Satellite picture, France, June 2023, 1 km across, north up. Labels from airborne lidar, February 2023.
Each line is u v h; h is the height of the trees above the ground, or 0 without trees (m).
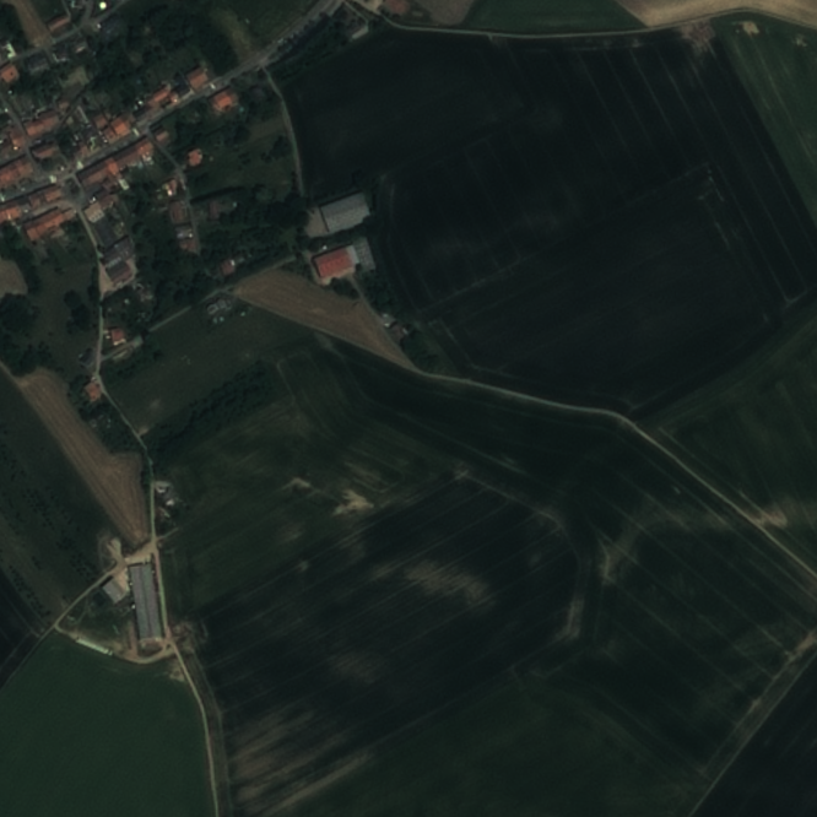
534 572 0
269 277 0
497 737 0
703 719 0
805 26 0
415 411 0
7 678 0
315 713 0
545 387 0
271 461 0
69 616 0
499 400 0
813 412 0
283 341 0
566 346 0
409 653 0
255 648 0
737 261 0
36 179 0
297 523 0
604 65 0
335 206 0
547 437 0
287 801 0
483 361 0
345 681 0
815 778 0
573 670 0
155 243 8
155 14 16
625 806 0
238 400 9
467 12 0
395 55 0
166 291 16
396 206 0
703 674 0
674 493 0
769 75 0
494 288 0
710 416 0
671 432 0
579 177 0
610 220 0
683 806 0
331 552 0
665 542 0
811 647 0
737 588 0
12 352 18
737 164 0
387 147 0
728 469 0
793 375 0
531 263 0
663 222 0
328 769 0
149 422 0
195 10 0
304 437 0
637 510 0
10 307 17
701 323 0
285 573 0
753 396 0
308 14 0
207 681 0
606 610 0
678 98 0
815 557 0
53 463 0
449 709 0
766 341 0
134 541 0
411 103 0
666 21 0
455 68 0
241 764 0
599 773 0
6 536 0
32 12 0
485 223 0
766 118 0
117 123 0
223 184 0
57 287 0
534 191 0
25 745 0
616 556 0
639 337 0
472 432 0
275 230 8
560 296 0
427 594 0
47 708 0
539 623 0
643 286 0
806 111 0
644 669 0
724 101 0
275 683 0
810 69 0
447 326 0
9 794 0
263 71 10
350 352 0
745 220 0
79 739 0
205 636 0
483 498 0
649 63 0
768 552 0
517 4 0
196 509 0
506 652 0
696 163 0
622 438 0
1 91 0
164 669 0
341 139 0
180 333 0
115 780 0
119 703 0
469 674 0
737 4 0
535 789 0
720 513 0
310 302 0
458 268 0
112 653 0
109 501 0
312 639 0
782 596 0
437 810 0
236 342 0
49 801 0
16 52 7
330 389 0
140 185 6
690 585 0
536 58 0
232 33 0
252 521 0
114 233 0
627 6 0
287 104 0
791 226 0
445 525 0
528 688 0
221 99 0
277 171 0
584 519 0
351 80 0
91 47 10
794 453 0
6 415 0
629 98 0
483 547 0
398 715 0
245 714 0
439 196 0
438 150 0
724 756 0
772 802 0
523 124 0
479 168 0
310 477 0
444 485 0
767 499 0
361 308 0
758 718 0
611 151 0
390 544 0
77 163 0
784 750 0
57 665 0
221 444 0
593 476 0
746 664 0
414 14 0
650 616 0
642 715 0
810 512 0
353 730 0
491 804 0
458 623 0
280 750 0
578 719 0
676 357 0
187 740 0
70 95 0
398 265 0
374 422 0
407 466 0
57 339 0
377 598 0
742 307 0
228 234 7
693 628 0
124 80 16
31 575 0
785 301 0
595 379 0
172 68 0
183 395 0
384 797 0
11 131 0
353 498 0
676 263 0
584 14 0
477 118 0
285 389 0
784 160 0
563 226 0
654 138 0
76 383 8
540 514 0
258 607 0
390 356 0
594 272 0
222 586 0
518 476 0
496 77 0
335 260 0
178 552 0
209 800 0
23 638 0
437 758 0
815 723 0
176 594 0
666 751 0
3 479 0
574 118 0
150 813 0
